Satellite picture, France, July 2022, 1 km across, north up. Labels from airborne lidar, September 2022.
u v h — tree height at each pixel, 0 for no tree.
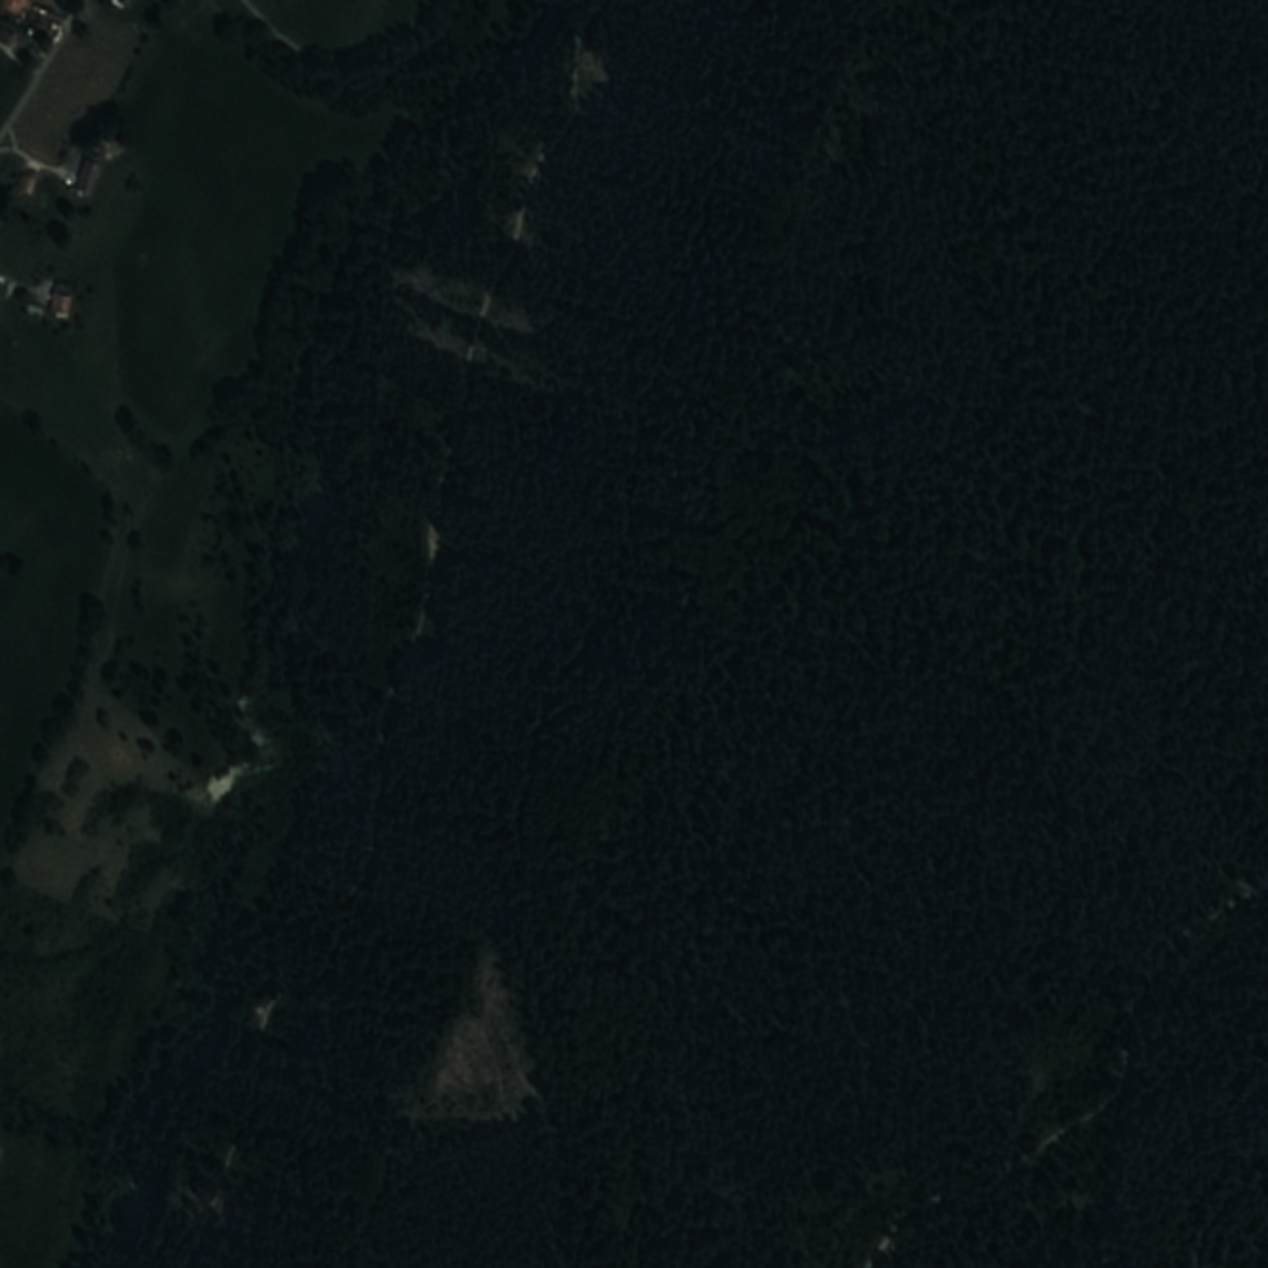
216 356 0
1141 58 28
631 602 13
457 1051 0
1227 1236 11
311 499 0
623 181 30
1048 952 29
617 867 25
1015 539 31
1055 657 30
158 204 0
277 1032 7
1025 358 18
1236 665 22
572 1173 22
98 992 6
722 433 22
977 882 31
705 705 30
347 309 26
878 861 31
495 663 29
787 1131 28
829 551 6
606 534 27
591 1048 17
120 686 6
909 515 21
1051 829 33
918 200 33
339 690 18
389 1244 18
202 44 0
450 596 34
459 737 22
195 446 7
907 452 28
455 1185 26
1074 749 27
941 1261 21
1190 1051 19
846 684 32
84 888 7
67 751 0
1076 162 9
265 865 0
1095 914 30
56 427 0
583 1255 23
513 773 32
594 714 27
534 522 31
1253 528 23
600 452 25
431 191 16
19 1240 0
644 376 35
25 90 0
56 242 17
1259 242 25
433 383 16
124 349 0
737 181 32
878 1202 8
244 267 0
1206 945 7
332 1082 12
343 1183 23
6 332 0
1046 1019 12
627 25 23
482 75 21
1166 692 27
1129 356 20
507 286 25
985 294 24
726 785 33
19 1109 15
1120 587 24
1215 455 20
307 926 20
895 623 29
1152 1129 32
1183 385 18
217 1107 27
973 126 12
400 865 28
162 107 0
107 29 0
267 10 0
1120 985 27
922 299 33
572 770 28
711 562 19
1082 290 27
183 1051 7
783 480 26
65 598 0
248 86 0
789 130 33
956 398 20
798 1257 19
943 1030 17
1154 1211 29
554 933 22
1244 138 22
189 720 0
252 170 0
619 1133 19
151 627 0
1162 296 20
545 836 31
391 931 25
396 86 20
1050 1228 9
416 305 27
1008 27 19
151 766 0
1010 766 29
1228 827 28
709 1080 27
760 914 30
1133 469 22
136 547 15
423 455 30
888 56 10
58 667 0
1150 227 21
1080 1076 8
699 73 11
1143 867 26
